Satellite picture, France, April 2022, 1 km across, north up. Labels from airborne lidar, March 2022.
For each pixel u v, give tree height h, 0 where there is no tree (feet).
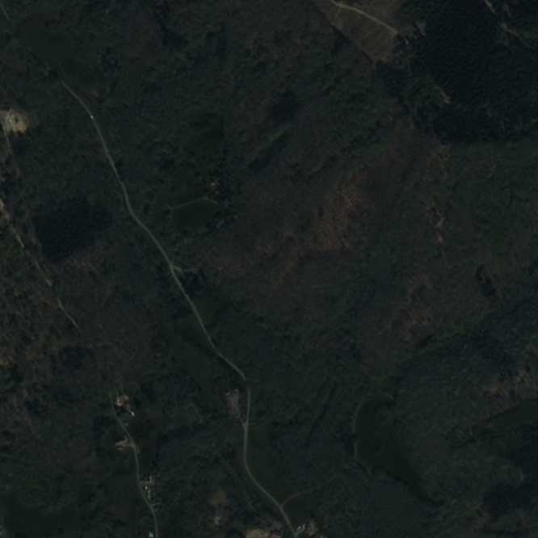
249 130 75
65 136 81
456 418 58
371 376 58
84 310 104
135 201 0
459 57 91
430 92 34
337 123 95
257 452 0
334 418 65
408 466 0
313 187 78
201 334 0
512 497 54
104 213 93
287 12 94
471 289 104
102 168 86
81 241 99
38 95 93
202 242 71
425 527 67
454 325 78
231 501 65
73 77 0
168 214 33
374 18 0
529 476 34
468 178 75
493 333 72
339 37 60
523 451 66
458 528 66
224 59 73
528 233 93
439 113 27
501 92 85
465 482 95
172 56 84
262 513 39
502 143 72
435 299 82
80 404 95
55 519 0
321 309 101
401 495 73
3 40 94
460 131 34
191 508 48
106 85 37
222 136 36
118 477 0
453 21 90
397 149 63
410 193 69
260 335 73
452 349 47
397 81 67
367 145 85
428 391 75
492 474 88
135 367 107
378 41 0
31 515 0
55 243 106
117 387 91
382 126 96
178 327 26
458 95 80
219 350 74
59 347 104
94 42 80
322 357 91
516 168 85
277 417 59
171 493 38
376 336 81
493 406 47
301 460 71
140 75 76
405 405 82
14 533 0
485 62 85
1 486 75
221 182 33
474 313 102
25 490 62
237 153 66
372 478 51
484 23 78
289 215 96
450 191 79
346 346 75
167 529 0
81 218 88
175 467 101
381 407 52
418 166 63
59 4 56
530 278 55
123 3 68
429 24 87
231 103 82
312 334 63
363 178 60
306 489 70
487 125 23
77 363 94
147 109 75
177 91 94
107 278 117
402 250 85
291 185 84
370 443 0
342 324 86
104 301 88
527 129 22
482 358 71
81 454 91
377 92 84
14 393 101
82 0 73
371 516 67
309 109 95
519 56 83
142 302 71
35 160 71
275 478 0
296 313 96
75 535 0
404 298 89
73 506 0
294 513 0
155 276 44
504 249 78
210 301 0
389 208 62
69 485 82
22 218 104
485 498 48
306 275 86
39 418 105
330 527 18
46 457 84
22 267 93
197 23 88
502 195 74
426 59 81
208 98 73
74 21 74
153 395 107
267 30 90
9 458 75
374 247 59
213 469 90
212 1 94
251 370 58
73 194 79
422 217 96
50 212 89
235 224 81
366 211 61
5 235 73
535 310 72
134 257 67
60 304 51
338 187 52
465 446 46
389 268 82
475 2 86
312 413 41
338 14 0
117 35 85
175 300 40
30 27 0
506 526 51
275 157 92
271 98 87
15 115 0
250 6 104
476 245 93
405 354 75
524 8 82
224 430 40
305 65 80
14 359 61
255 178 81
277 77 67
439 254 46
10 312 98
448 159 83
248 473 0
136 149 78
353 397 77
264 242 94
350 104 72
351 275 74
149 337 65
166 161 77
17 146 88
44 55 0
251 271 96
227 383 0
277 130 92
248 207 91
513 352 53
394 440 0
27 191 73
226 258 98
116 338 100
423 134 57
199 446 87
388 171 50
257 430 0
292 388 80
